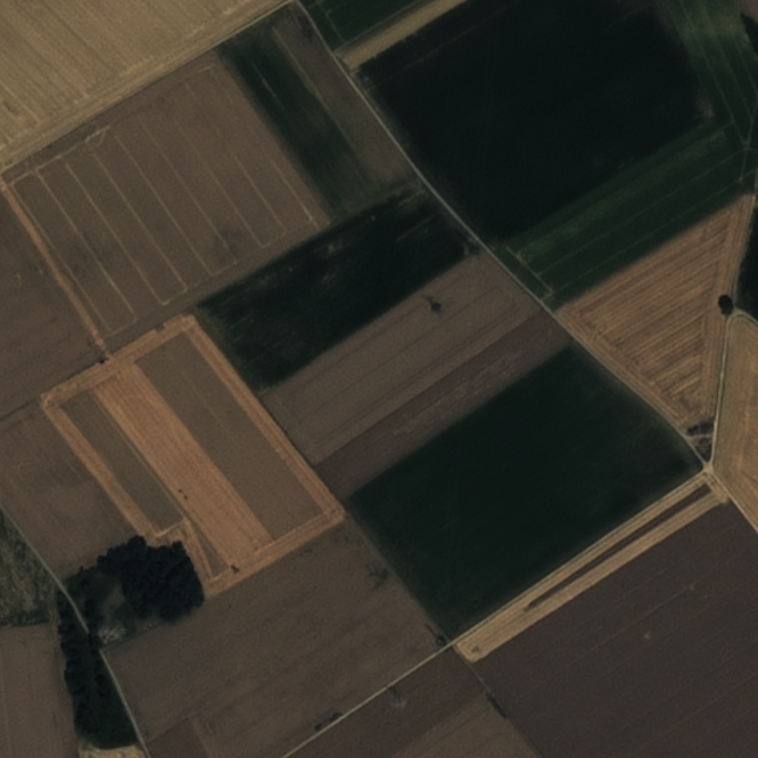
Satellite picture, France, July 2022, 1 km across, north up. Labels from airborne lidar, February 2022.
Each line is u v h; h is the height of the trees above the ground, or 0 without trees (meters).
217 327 0
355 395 0
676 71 0
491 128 0
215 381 0
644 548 0
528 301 0
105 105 0
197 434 0
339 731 0
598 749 0
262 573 0
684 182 0
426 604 0
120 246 0
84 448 0
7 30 0
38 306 0
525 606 0
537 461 0
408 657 0
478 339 0
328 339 0
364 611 0
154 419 0
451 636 0
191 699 0
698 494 0
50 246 0
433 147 0
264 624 0
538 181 0
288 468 0
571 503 0
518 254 0
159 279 0
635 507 0
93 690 0
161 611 15
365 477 0
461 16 0
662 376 0
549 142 0
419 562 0
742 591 0
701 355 0
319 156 0
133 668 0
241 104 0
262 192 0
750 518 0
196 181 0
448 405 0
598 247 0
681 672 0
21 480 0
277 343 0
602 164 0
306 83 0
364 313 0
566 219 0
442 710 0
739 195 0
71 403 0
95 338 0
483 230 0
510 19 0
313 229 0
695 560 0
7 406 0
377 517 0
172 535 0
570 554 0
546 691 0
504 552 0
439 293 0
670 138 0
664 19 0
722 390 0
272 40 0
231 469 0
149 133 0
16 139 0
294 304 0
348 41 0
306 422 0
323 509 0
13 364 0
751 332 0
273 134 0
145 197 0
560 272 0
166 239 0
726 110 0
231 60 0
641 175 0
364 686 0
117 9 0
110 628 0
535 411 0
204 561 0
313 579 0
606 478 0
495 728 0
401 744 0
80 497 0
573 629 0
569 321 0
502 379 0
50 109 0
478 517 0
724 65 0
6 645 0
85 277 0
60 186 0
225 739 0
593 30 0
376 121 0
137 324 0
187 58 0
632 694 0
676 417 0
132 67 0
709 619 0
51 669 0
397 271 0
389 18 0
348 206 0
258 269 0
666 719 0
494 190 0
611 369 0
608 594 0
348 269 0
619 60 0
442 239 0
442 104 0
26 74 0
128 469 0
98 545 0
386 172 0
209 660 0
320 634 0
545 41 0
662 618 0
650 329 0
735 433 0
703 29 0
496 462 0
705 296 0
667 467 0
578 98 0
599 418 0
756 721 0
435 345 0
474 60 0
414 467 0
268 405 0
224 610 0
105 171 0
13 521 0
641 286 0
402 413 0
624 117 0
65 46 0
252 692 0
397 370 0
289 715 0
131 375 0
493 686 0
